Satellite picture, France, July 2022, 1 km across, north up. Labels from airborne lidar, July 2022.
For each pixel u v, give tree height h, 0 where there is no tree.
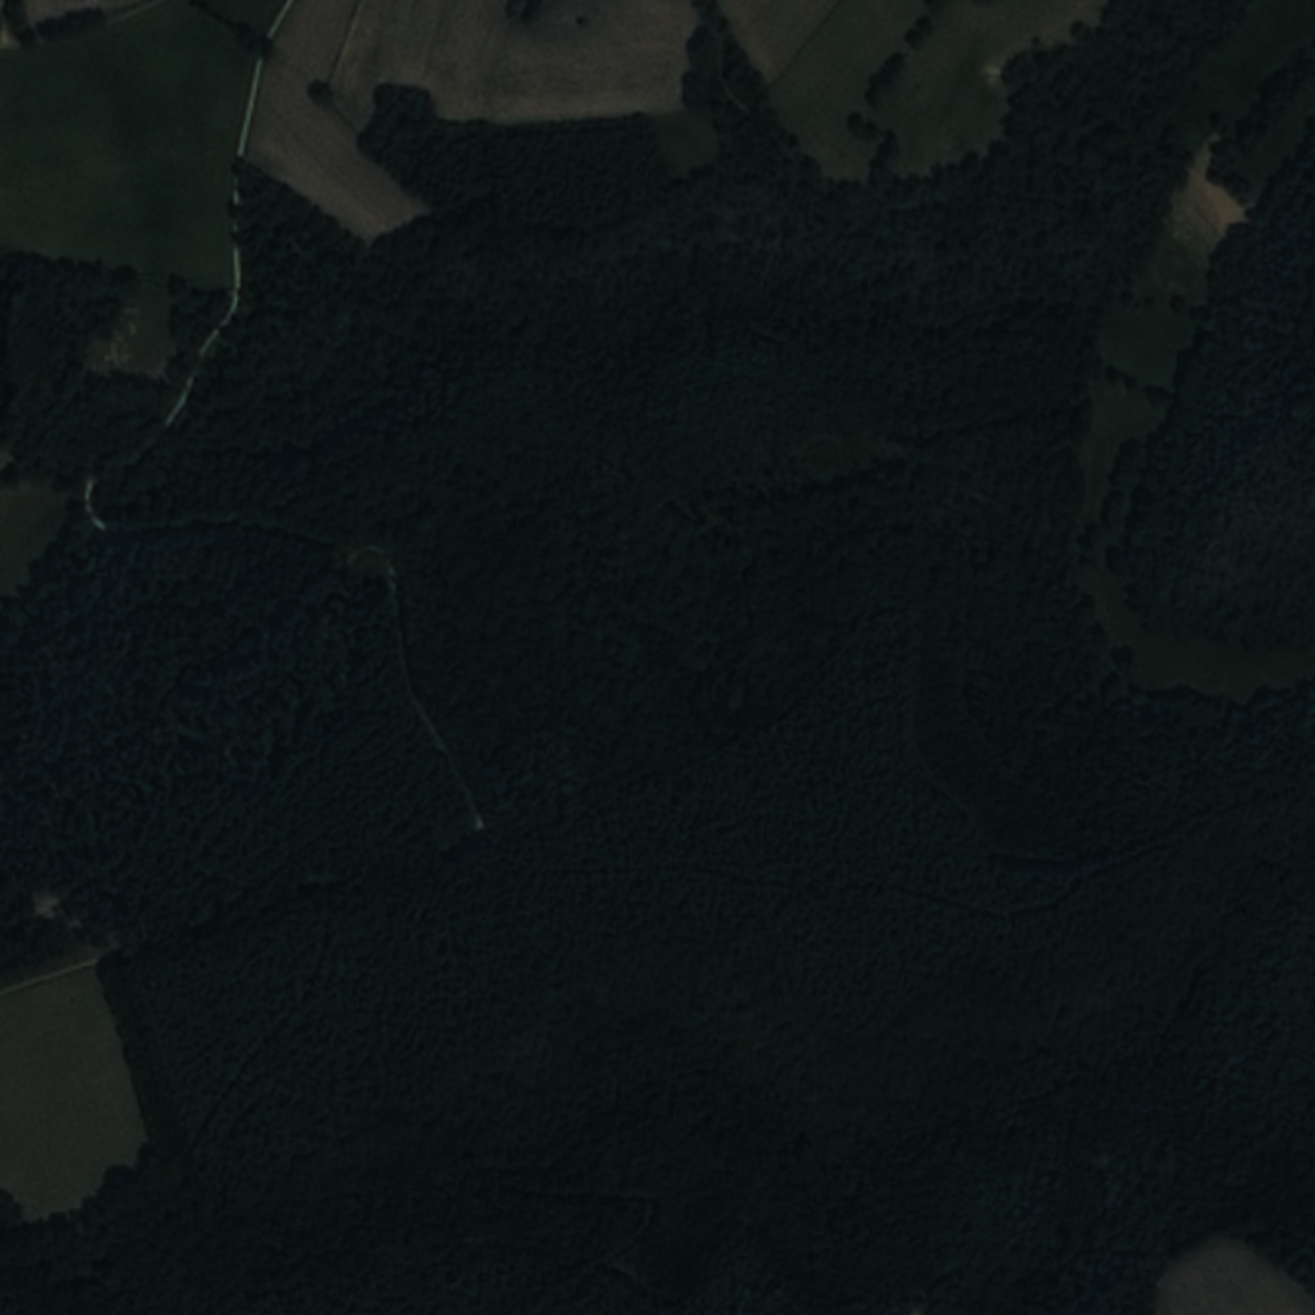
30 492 0
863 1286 16
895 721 14
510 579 23
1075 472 22
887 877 22
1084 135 9
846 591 20
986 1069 14
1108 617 0
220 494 20
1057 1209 24
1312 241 21
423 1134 19
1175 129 9
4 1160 0
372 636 25
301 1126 16
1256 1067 10
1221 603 14
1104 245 17
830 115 0
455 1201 24
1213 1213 14
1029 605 22
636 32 0
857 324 23
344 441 27
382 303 9
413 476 20
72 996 0
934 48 0
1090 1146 18
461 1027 20
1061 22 0
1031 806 6
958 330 19
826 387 20
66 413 19
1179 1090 20
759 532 24
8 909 12
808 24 0
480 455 21
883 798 20
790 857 22
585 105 0
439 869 19
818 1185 17
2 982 20
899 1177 21
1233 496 14
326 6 0
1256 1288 0
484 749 26
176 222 0
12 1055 0
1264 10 0
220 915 19
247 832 20
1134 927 21
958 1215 18
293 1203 20
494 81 0
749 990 8
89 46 0
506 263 19
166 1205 21
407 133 17
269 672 36
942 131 0
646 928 18
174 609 23
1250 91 0
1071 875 16
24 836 28
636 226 10
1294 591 9
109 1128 0
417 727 23
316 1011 20
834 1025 18
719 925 15
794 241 13
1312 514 11
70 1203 0
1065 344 9
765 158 8
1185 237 0
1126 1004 16
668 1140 21
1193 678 0
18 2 18
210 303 11
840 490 20
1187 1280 0
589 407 22
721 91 6
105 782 33
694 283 24
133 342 0
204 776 24
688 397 20
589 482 27
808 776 14
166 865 26
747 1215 12
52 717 32
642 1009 18
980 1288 20
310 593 27
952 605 19
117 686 33
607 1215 21
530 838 23
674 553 21
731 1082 17
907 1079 21
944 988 14
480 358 22
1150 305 7
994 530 25
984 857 16
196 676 17
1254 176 0
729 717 15
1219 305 16
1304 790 14
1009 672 17
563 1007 9
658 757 23
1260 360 6
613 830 20
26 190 0
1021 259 17
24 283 21
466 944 16
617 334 20
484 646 27
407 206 0
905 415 9
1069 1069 16
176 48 0
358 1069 18
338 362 17
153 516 21
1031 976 19
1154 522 17
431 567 20
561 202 14
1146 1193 16
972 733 6
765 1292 23
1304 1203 20
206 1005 19
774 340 12
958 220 13
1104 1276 22
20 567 0
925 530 22
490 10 0
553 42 0
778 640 23
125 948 17
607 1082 14
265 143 0
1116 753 24
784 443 20
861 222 6
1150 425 0
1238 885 20
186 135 0
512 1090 18
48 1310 18
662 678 22
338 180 0
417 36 0
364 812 23
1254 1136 16
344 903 20
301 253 9
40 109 0
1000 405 9
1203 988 19
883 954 16
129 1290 14
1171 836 15
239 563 19
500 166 16
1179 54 20
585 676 25
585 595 19
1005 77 9
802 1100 20
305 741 20
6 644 26
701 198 14
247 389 22
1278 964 6
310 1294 8
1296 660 0
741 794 19
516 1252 19
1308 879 13
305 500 26
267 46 16
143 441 14
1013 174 6
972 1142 22
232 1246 21
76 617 16
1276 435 20
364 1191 16
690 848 20
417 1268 10
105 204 0
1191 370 23
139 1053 16
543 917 20
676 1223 21
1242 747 17
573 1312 18
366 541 23
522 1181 20
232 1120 12
